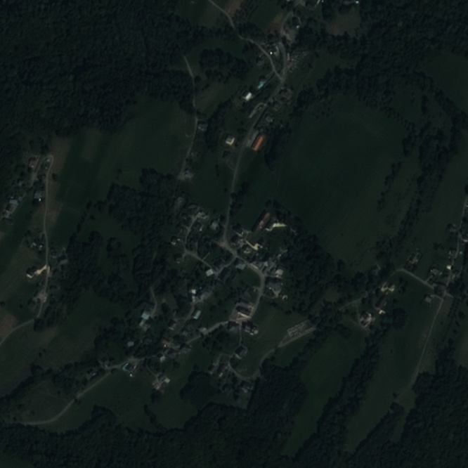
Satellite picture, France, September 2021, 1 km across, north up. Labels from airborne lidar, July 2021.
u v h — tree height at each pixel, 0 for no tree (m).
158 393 11
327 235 0
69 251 11
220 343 19
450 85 0
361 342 0
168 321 11
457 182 0
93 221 14
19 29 18
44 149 13
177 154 0
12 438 32
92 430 22
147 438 28
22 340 0
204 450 27
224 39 9
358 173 0
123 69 25
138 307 10
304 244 24
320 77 0
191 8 0
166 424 0
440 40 32
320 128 0
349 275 0
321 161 0
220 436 30
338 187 0
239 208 7
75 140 0
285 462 19
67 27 29
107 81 28
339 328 21
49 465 29
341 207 0
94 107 20
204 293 0
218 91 0
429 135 7
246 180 0
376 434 16
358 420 0
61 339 0
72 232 0
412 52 25
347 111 0
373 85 28
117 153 0
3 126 27
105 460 24
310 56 0
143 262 14
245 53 10
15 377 0
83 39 23
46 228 0
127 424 0
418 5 27
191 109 27
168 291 7
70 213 0
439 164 22
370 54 27
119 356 0
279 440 27
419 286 0
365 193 0
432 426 18
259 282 0
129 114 0
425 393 15
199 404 21
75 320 0
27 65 21
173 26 30
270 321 0
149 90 17
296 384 23
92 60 25
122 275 8
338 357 0
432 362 0
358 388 25
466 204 0
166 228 13
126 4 19
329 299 0
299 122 0
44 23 23
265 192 0
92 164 0
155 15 21
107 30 29
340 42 22
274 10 0
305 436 0
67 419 0
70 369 17
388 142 0
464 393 18
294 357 0
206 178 0
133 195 19
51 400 0
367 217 0
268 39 15
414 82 21
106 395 0
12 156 25
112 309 0
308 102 24
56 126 26
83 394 0
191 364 0
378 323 0
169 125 0
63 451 32
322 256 31
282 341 0
